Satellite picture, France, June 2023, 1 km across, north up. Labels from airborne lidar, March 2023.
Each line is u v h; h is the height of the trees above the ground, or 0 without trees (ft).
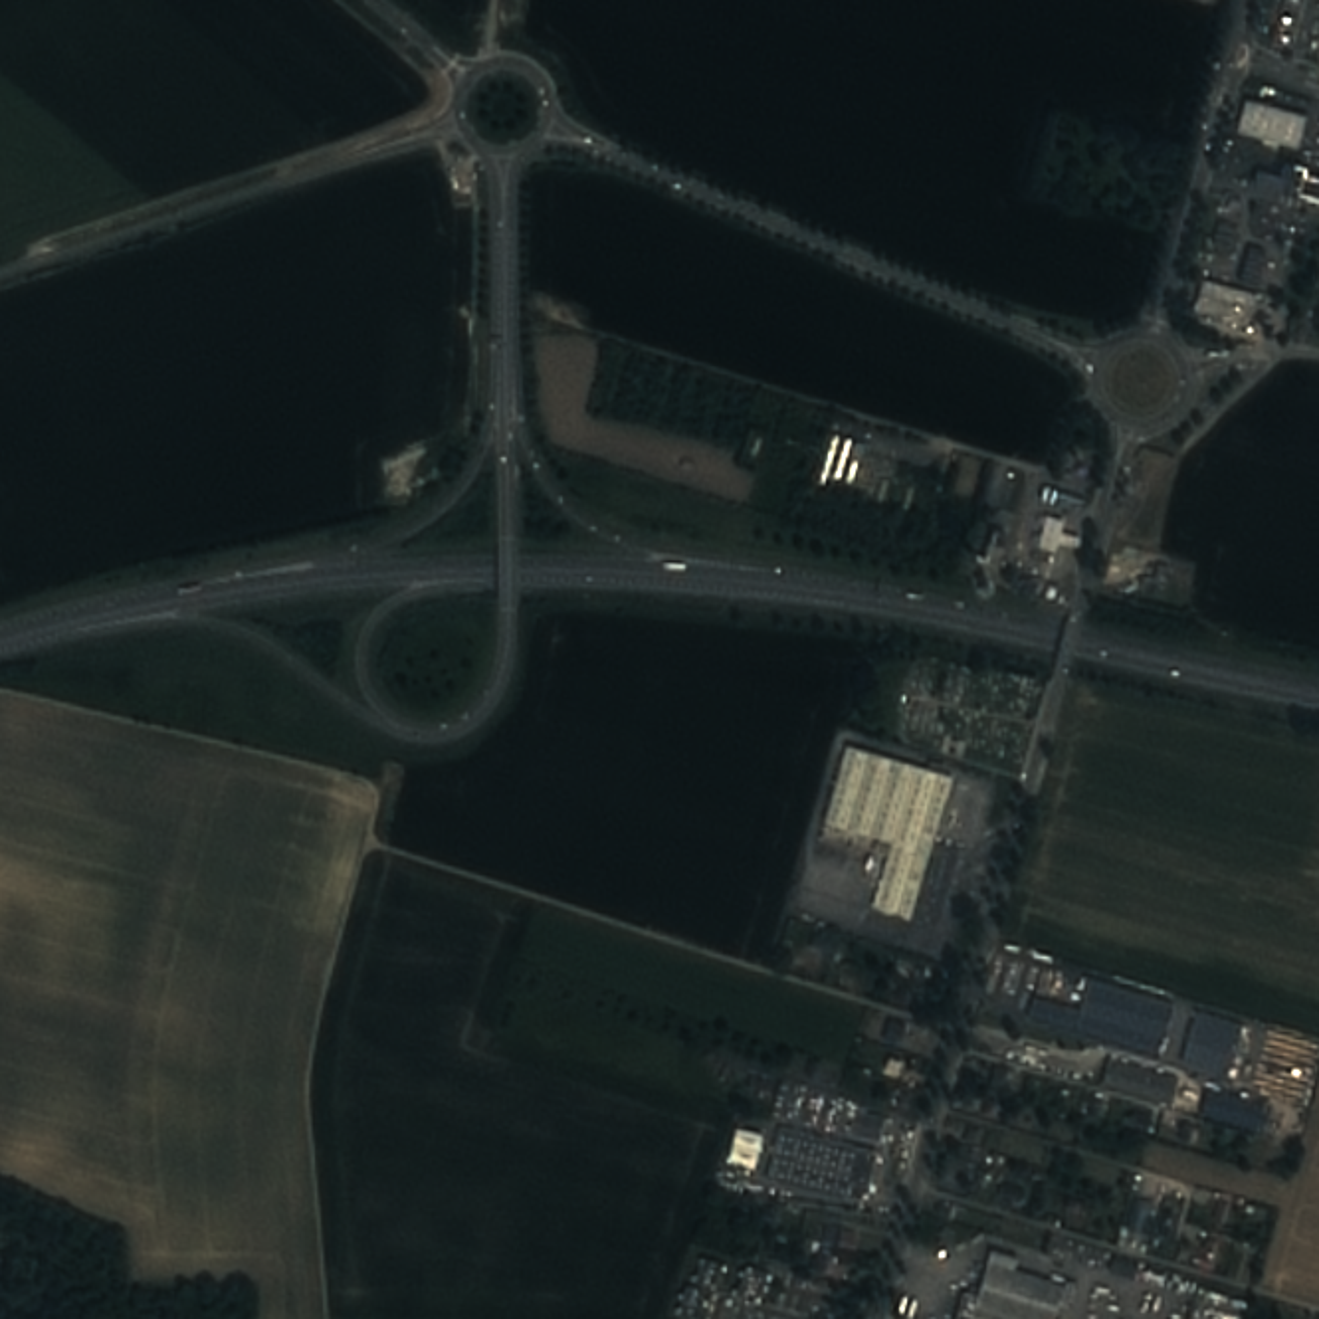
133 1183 0
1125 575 0
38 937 0
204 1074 0
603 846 0
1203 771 0
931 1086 34
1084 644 0
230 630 0
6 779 0
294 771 0
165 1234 0
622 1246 0
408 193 0
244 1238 0
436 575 0
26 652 0
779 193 0
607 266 0
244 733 0
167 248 0
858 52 0
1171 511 0
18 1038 0
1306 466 0
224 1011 0
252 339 0
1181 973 0
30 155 0
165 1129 0
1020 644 0
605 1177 0
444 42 0
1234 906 0
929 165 0
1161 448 0
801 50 0
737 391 23
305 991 0
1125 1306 0
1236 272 0
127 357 0
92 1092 0
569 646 0
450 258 0
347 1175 0
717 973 0
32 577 0
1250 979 0
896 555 38
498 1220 0
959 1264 0
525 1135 0
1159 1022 0
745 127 0
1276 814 0
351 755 0
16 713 0
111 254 0
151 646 0
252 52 0
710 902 0
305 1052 0
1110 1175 0
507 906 0
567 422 0
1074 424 33
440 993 0
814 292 0
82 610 0
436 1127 0
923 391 0
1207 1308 0
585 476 0
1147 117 0
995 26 0
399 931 0
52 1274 43
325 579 0
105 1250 27
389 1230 0
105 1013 0
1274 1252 0
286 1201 0
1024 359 0
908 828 0
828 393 0
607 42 0
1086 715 0
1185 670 0
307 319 0
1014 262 0
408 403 0
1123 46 0
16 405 0
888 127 0
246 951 0
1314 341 0
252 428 0
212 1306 56
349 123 0
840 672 0
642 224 0
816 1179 0
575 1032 0
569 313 0
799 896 0
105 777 0
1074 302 0
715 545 0
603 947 0
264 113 0
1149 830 0
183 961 0
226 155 0
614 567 0
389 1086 0
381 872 0
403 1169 0
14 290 0
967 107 0
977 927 66
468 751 0
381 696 0
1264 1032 0
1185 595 0
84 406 0
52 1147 0
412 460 0
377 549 0
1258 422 0
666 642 0
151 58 0
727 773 0
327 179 0
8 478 0
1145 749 0
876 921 0
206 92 0
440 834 0
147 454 0
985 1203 0
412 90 0
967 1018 43
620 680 0
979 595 0
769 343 0
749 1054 17
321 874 0
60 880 0
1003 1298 0
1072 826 0
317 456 0
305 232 0
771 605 0
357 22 0
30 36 0
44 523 0
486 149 0
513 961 0
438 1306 0
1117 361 0
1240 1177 0
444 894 0
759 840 0
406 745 0
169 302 0
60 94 0
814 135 0
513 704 0
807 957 0
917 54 0
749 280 0
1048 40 0
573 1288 0
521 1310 0
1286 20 0
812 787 0
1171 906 0
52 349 0
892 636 25
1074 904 0
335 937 0
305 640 23
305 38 0
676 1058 0
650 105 0
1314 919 0
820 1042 0
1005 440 0
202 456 0
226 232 0
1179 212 0
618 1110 0
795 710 0
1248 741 0
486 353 0
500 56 0
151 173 0
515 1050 0
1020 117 0
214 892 0
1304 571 0
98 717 0
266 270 0
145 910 0
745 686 0
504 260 0
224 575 0
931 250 0
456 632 0
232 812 0
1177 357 0
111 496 0
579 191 0
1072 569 0
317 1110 0
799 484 21
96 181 0
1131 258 0
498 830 0
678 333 0
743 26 0
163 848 0
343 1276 0
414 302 0
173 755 0
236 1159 0
